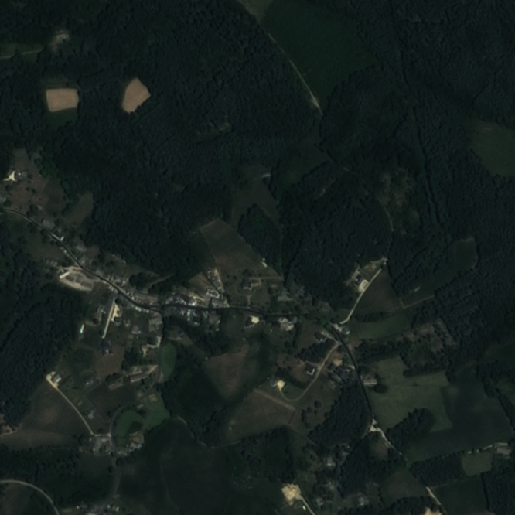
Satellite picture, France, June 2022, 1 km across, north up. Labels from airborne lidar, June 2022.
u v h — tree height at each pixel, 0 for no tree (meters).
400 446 23
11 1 10
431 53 13
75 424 0
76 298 15
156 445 0
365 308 0
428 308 12
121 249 16
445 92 18
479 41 27
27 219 0
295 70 18
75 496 12
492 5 20
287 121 21
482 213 23
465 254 0
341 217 23
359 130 18
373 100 18
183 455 0
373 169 8
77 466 19
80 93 11
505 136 0
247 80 22
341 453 11
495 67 20
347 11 13
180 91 15
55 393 0
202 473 0
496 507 19
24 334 26
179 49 20
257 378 0
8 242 18
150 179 14
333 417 12
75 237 7
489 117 21
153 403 0
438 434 0
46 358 29
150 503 0
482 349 14
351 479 21
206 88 20
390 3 6
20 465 16
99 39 10
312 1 14
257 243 26
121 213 17
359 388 15
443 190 23
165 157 22
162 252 20
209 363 0
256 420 0
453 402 0
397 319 0
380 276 0
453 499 0
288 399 0
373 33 21
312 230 18
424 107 11
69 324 15
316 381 0
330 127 21
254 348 0
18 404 18
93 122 19
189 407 0
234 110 24
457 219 20
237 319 0
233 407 0
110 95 15
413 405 0
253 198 0
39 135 12
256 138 23
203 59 23
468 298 12
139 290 12
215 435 18
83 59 17
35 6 13
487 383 12
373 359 19
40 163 13
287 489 0
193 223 18
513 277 19
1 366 25
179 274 12
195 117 12
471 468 0
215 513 0
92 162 22
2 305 0
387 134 10
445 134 19
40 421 0
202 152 23
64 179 12
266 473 6
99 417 0
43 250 0
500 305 21
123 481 0
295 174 0
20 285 12
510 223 25
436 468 22
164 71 18
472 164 29
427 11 23
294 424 0
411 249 18
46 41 14
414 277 19
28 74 15
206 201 18
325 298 19
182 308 0
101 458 0
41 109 15
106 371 0
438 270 20
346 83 20
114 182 21
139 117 19
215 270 0
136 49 13
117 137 19
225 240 0
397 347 15
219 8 13
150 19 17
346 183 6
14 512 0
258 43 21
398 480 0
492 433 0
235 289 0
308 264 19
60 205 0
